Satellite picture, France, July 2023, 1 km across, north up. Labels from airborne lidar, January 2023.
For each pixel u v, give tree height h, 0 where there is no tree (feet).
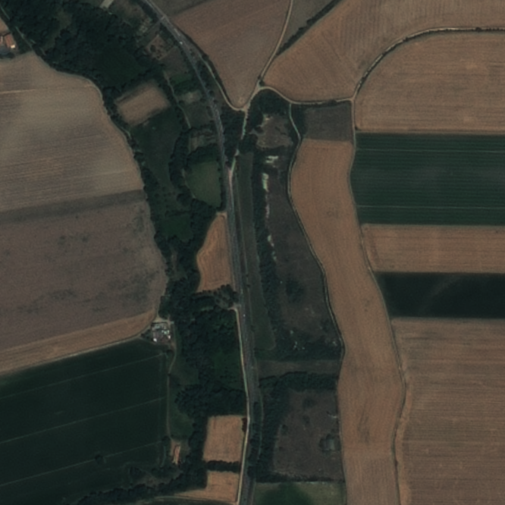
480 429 0
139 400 0
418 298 0
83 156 0
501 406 0
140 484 0
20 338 0
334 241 0
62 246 0
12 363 0
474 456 0
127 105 0
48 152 0
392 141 0
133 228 0
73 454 0
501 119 0
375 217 0
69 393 0
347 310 0
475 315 0
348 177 0
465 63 0
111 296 0
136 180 0
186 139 49
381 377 0
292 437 0
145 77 38
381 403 0
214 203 0
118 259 0
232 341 71
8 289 0
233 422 0
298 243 0
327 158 0
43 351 0
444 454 0
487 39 0
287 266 0
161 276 0
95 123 0
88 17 31
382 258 0
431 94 0
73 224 0
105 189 0
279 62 0
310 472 0
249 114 20
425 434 0
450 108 0
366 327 0
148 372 0
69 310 0
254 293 0
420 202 0
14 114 0
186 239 0
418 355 0
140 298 0
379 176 0
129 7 0
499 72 0
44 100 0
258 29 0
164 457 0
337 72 0
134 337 0
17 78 0
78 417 0
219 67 0
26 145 0
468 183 0
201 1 0
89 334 0
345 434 0
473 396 0
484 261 0
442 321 0
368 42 0
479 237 0
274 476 18
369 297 0
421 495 0
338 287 0
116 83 0
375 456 0
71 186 0
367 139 0
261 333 0
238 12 0
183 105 33
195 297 30
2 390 0
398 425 0
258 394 0
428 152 0
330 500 0
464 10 0
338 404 0
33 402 0
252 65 0
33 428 0
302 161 0
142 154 49
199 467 46
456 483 0
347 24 0
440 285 0
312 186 0
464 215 0
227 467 43
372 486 0
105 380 0
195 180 0
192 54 24
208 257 0
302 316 0
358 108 0
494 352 0
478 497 0
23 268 0
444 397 0
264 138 0
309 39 0
